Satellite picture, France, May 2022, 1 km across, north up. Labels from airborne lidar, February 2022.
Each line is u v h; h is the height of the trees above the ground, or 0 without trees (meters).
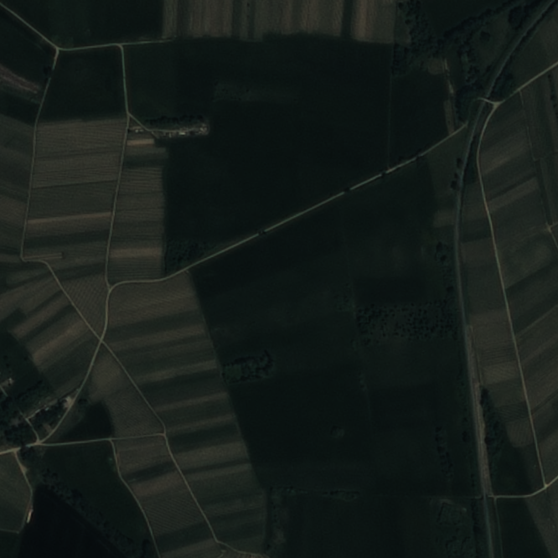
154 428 0
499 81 0
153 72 0
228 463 0
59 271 0
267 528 0
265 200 0
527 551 0
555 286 0
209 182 0
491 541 0
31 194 0
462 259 0
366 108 0
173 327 0
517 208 0
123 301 0
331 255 0
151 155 0
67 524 0
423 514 0
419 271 0
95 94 0
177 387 0
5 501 0
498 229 0
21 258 0
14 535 0
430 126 0
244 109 0
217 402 0
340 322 0
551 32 0
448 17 0
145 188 0
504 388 0
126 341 0
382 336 0
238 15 0
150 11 0
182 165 0
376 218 0
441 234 0
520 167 0
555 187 0
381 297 0
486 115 0
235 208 0
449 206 0
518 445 0
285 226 0
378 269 0
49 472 11
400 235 0
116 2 0
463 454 0
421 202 0
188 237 0
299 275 0
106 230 0
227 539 0
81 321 0
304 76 0
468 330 0
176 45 0
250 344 0
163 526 0
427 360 0
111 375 0
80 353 0
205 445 0
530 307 0
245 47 0
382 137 0
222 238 0
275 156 0
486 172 0
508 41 0
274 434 0
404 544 0
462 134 0
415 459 0
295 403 0
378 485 0
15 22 0
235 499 0
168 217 0
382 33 0
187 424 0
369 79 0
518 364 0
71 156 0
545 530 0
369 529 0
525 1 0
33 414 0
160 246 0
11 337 0
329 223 0
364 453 0
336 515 0
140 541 0
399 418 0
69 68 0
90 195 0
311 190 0
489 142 0
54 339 0
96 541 0
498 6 0
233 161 0
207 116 0
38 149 0
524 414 0
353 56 0
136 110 0
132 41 0
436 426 0
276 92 0
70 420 0
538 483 0
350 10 0
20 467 0
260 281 0
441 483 0
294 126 0
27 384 0
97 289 0
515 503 0
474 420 0
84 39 0
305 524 0
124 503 0
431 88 0
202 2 0
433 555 0
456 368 0
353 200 0
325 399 0
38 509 0
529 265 0
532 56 0
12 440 11
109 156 0
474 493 0
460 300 0
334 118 0
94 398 0
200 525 0
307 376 0
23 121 0
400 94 0
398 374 0
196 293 0
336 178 0
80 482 0
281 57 0
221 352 0
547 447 0
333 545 0
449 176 0
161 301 0
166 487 0
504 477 0
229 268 0
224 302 0
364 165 0
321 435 0
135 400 0
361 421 0
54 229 0
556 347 0
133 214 0
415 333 0
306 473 0
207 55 0
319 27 0
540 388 0
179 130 0
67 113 0
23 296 0
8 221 0
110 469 0
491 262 0
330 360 0
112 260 0
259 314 0
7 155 0
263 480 0
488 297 0
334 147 0
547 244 0
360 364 0
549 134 0
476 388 0
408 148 0
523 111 0
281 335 0
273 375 0
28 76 0
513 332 0
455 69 0
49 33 0
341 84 0
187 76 0
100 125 0
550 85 0
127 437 0
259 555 0
